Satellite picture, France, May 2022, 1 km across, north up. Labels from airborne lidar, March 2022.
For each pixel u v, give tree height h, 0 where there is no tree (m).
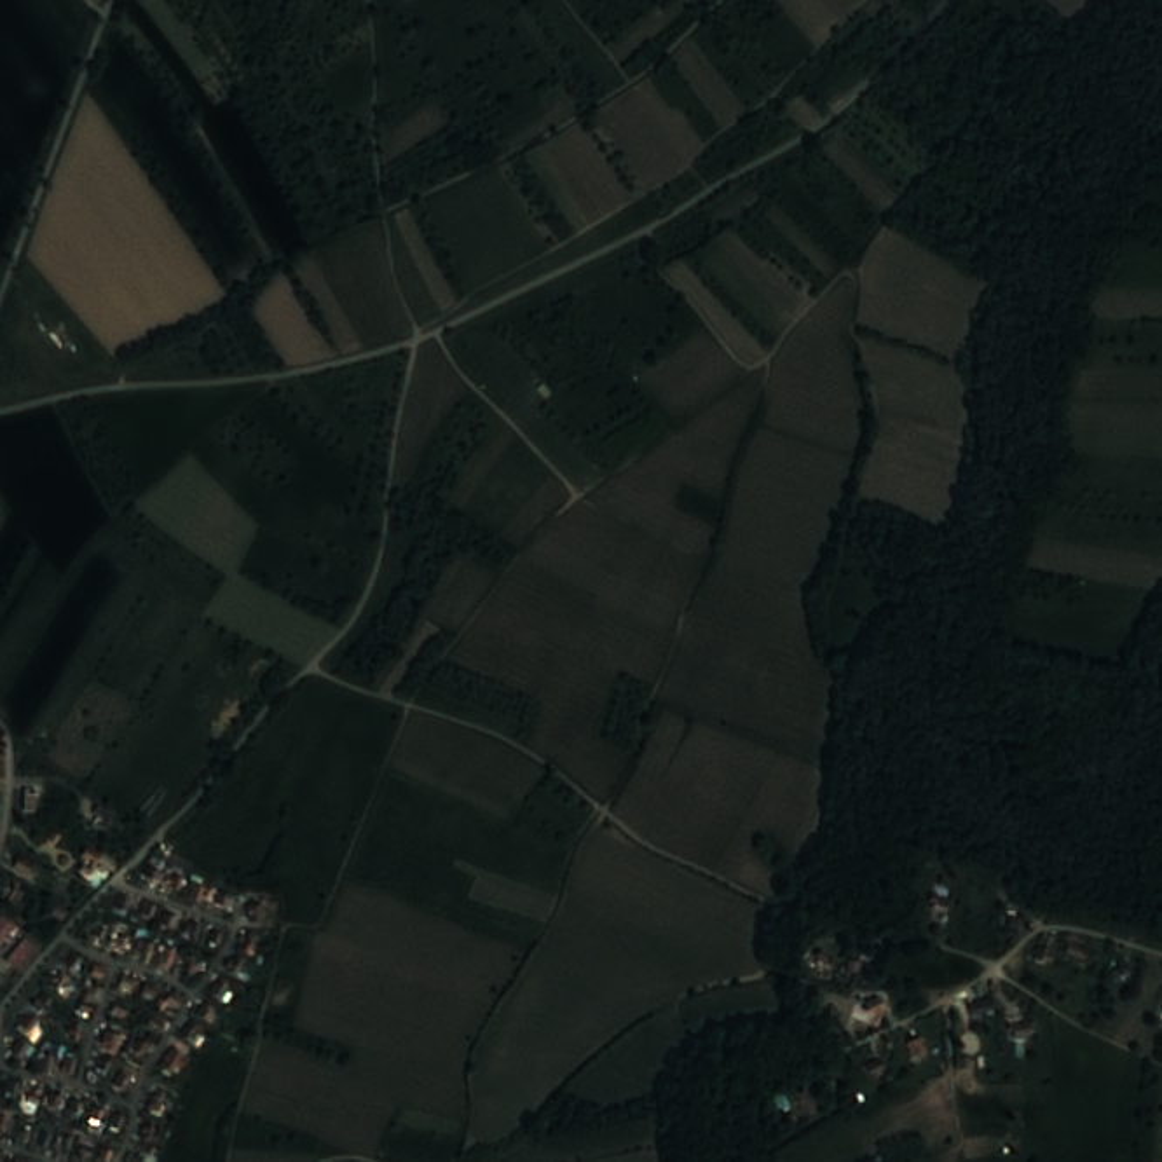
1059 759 23
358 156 7
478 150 9
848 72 0
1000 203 6
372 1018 0
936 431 0
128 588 0
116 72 0
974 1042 0
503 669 0
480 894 0
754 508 0
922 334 0
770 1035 21
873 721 18
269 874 6
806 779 0
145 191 0
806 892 15
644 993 0
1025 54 16
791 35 0
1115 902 17
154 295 0
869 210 0
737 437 0
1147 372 0
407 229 0
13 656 0
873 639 20
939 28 5
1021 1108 0
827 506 0
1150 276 0
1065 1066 0
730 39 9
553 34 6
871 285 0
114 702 0
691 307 0
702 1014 0
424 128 0
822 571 6
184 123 12
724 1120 13
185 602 0
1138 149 19
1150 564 0
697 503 0
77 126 0
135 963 0
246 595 0
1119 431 0
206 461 0
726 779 0
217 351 8
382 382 0
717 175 0
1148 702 19
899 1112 0
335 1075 0
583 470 0
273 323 0
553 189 0
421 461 0
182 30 0
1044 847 19
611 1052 0
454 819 0
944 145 12
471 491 0
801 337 0
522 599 0
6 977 0
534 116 0
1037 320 15
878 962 13
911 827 13
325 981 0
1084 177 21
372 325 0
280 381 0
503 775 0
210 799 10
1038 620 0
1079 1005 0
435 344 0
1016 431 21
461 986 0
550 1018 0
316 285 0
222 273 8
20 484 0
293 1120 0
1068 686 21
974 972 0
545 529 0
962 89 11
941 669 17
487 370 0
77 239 0
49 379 0
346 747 0
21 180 0
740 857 0
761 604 0
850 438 0
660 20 0
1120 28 18
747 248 0
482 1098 0
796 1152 0
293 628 0
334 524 0
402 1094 0
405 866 0
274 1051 0
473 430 7
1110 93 19
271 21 6
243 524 0
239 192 0
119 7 12
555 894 0
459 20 0
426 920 0
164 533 0
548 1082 0
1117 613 0
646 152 0
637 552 0
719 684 0
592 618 0
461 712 0
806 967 0
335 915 0
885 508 10
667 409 0
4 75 0
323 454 0
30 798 0
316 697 0
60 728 0
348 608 12
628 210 0
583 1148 0
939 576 18
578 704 0
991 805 20
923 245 0
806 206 0
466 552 13
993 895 0
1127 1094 0
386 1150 0
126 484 8
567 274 0
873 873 18
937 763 19
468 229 0
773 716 0
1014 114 10
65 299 0
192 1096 0
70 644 0
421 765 0
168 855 0
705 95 0
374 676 12
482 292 0
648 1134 0
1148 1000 0
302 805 0
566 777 0
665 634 0
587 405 0
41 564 0
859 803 18
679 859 0
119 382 0
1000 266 15
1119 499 0
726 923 0
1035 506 21
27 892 9
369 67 0
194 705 0
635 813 0
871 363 0
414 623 11
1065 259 19
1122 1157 0
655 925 0
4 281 0
